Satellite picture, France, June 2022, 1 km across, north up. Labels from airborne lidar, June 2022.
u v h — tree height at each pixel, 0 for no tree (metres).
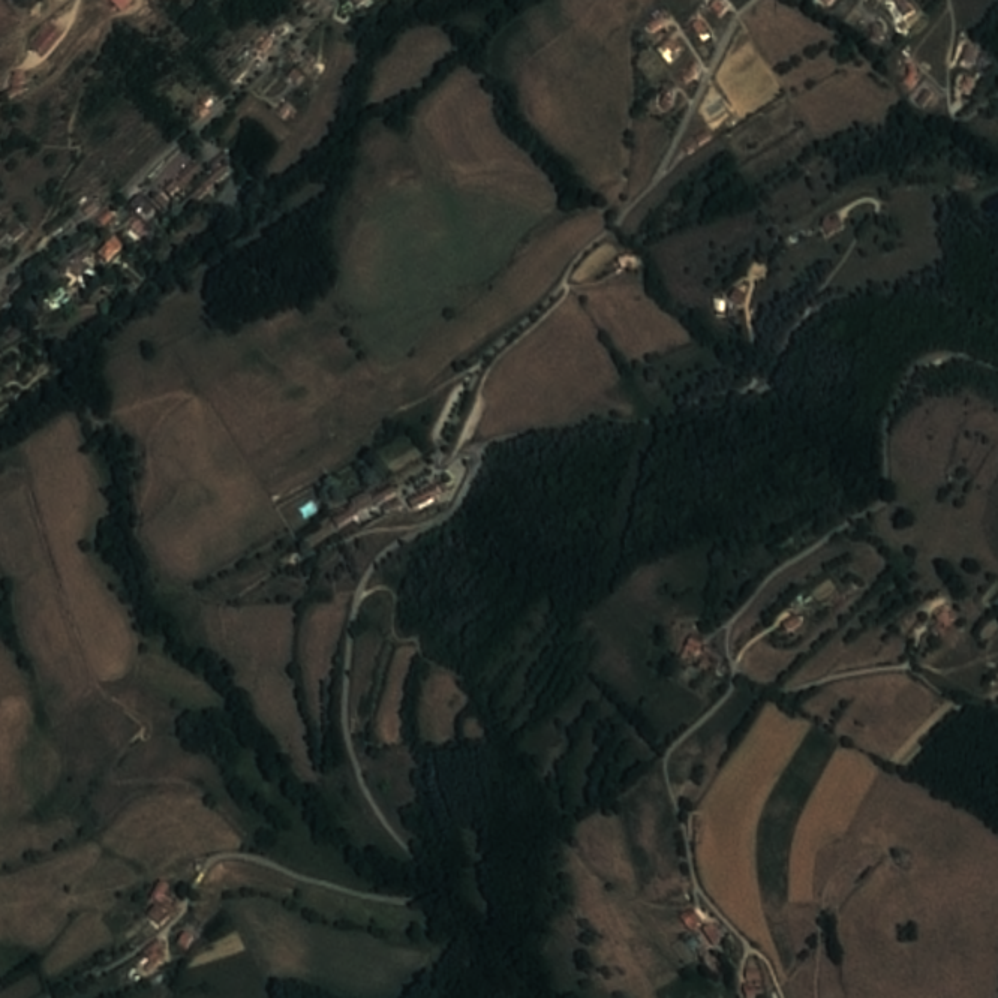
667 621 0
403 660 0
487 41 13
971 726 15
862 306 15
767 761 0
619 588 11
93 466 0
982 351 20
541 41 0
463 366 9
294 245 11
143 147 0
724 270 8
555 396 0
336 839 20
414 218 0
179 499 0
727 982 8
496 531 13
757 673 0
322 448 0
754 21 0
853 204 0
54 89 0
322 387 0
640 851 0
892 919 0
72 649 0
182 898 11
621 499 17
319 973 0
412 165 0
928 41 0
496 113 8
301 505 0
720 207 13
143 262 7
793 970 0
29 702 0
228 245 17
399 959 0
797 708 10
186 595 0
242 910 0
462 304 0
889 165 5
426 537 10
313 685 0
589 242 0
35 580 0
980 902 0
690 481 16
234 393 0
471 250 0
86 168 0
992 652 0
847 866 0
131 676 0
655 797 0
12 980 7
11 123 6
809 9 16
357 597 0
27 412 23
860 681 0
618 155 0
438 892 27
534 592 12
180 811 0
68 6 0
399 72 0
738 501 13
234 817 0
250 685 0
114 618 0
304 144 0
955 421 0
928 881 0
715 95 0
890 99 0
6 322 16
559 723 10
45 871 0
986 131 0
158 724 0
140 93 10
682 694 0
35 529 0
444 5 22
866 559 0
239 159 20
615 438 15
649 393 0
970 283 15
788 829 0
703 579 0
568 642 13
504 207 0
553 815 14
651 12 0
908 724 0
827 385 9
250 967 0
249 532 0
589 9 0
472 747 18
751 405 15
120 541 23
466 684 9
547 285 0
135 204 0
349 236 0
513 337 7
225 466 0
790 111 0
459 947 16
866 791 0
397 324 0
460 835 15
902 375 10
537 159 14
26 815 0
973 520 0
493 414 0
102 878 0
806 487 13
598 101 0
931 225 0
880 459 16
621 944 0
